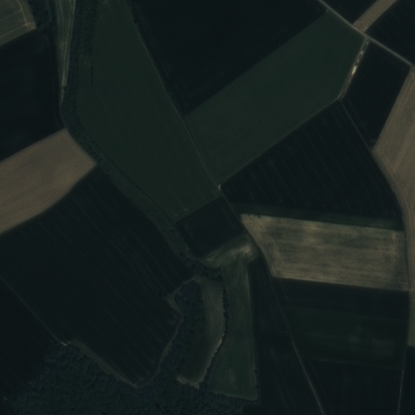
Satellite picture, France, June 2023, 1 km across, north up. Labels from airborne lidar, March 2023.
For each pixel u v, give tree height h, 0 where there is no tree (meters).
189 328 27
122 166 0
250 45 0
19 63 0
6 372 0
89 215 0
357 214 0
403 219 0
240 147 0
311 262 0
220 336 0
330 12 0
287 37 0
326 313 0
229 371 0
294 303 0
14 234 0
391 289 0
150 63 0
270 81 0
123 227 0
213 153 0
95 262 0
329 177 0
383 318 0
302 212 0
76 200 0
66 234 0
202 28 0
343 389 0
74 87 9
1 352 0
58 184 0
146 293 0
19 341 0
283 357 0
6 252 0
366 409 0
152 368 0
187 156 0
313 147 0
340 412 0
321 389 0
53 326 0
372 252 0
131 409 24
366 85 0
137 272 0
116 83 0
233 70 0
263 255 0
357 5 0
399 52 0
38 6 12
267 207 0
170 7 0
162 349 0
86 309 0
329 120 0
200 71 0
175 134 0
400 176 0
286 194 0
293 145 0
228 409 19
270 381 0
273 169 0
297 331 0
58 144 0
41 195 0
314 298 0
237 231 0
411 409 0
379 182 0
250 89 0
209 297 0
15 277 0
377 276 0
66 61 0
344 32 0
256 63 0
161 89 0
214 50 0
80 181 0
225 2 0
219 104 0
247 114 0
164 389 24
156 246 0
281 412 0
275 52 0
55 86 0
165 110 0
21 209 0
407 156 0
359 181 0
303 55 0
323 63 0
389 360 0
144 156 0
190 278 0
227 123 0
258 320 0
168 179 0
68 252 0
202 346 0
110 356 0
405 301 0
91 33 7
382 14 0
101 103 0
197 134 0
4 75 0
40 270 0
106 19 0
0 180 0
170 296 0
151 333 0
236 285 0
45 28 0
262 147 0
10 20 0
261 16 0
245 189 0
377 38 0
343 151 0
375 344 0
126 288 0
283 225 0
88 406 25
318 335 0
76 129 8
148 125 0
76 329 0
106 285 0
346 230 0
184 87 0
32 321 0
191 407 20
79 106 0
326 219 0
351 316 0
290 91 0
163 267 0
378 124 0
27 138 0
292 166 0
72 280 0
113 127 0
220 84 0
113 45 0
